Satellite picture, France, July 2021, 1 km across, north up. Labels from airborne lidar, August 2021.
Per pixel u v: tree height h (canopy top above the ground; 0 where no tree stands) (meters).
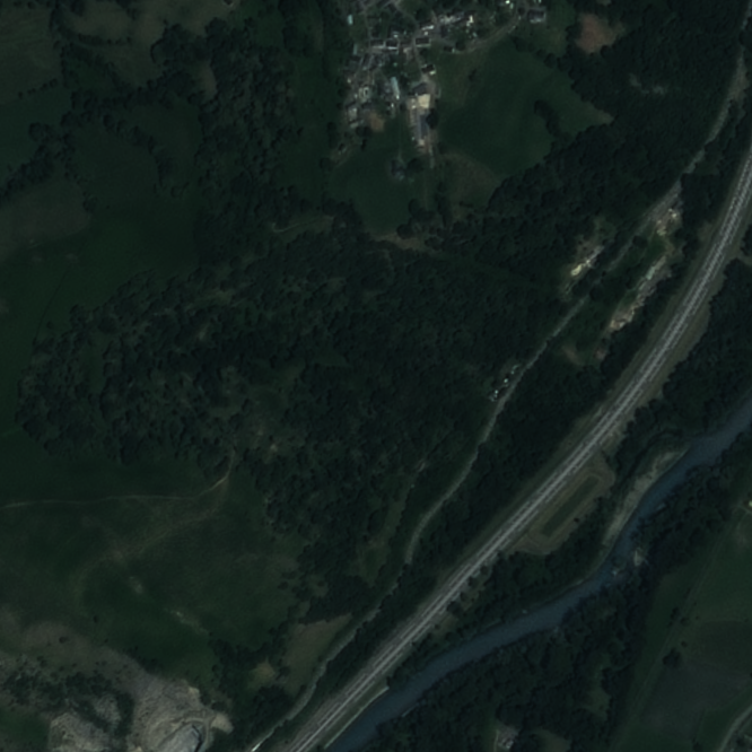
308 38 8
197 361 31
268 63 25
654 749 0
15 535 0
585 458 0
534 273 30
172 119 0
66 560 0
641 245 18
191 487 0
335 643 9
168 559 0
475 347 19
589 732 24
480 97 0
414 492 11
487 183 0
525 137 0
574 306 8
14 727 0
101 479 0
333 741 0
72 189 0
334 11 17
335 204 17
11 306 0
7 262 0
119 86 10
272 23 0
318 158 0
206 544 0
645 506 0
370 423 21
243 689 7
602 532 16
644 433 22
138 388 28
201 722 0
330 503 6
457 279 12
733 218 0
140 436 19
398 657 0
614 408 0
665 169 28
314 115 0
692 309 0
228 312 21
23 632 0
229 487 0
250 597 0
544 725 16
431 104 0
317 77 0
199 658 0
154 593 0
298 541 0
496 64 0
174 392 23
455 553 25
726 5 28
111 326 24
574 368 14
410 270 15
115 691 12
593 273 15
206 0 0
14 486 0
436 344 24
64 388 20
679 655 10
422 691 0
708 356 21
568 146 8
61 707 9
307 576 11
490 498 25
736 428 0
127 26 0
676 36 24
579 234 21
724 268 0
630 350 21
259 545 0
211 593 0
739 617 0
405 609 15
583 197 9
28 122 0
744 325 20
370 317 18
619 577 0
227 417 0
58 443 12
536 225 8
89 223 0
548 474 0
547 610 0
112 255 0
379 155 0
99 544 0
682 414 16
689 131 22
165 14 0
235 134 25
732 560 0
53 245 0
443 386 18
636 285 19
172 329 27
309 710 18
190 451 19
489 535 0
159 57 19
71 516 0
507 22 7
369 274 21
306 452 18
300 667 0
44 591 0
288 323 8
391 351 21
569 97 0
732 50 26
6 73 0
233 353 27
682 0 30
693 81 14
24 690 9
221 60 25
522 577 27
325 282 25
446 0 11
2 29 0
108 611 0
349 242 18
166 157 21
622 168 14
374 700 0
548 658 9
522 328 25
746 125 15
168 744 0
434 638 21
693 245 17
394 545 12
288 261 18
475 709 27
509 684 26
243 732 8
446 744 20
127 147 0
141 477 0
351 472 25
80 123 18
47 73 0
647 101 13
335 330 25
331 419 15
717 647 0
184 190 10
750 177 0
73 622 0
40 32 0
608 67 9
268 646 15
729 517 13
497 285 12
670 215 0
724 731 0
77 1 21
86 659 0
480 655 0
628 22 20
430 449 15
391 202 0
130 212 0
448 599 0
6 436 0
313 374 6
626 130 22
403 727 15
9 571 0
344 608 15
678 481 0
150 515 0
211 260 7
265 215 24
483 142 0
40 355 23
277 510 23
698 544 25
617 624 16
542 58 10
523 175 9
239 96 26
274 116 23
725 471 22
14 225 0
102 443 20
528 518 0
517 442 13
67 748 0
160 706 0
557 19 0
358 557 24
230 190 10
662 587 34
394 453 23
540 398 15
